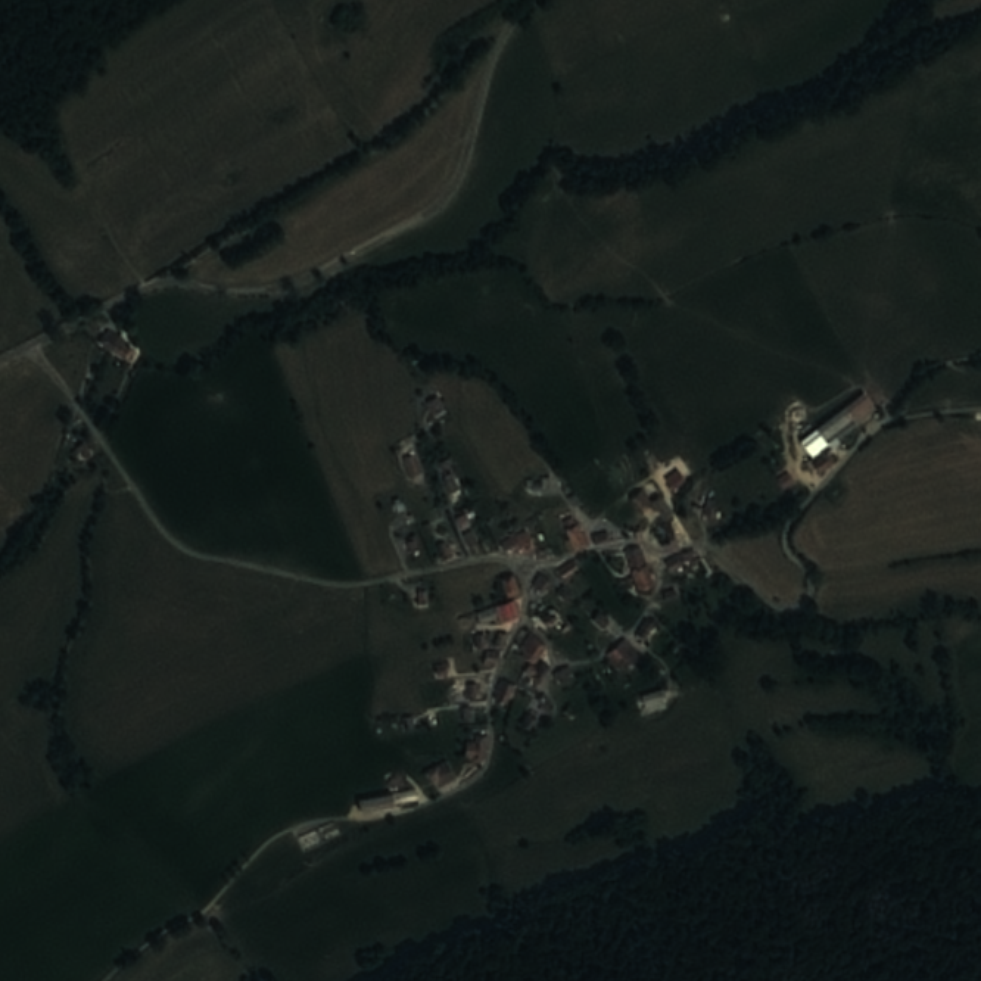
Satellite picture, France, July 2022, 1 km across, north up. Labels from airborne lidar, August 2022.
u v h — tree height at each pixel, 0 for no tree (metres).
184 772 0
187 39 0
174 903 0
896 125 0
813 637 18
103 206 0
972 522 0
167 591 0
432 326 0
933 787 24
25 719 0
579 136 0
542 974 25
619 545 0
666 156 28
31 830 0
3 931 0
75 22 27
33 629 0
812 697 0
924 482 0
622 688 0
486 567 0
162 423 0
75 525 0
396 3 0
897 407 13
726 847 24
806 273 0
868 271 0
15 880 0
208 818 0
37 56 18
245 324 16
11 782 0
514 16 17
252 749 0
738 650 0
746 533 17
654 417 19
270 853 0
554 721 7
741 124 26
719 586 17
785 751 0
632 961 31
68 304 18
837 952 25
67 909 0
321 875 0
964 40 7
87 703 0
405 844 0
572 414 0
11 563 12
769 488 0
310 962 0
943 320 0
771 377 0
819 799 0
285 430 0
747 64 0
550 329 0
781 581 0
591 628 0
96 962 0
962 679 0
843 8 0
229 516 0
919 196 0
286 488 0
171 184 0
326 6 0
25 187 0
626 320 0
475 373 8
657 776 0
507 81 0
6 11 18
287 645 0
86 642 0
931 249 0
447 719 0
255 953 0
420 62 0
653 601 0
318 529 0
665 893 26
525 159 0
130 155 0
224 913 0
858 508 0
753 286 0
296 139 0
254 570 0
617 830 16
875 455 0
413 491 0
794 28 0
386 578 0
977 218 0
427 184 0
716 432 0
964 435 0
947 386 0
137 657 0
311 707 0
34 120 15
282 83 0
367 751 0
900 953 32
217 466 0
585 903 25
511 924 20
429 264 17
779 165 0
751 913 25
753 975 28
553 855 0
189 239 0
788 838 26
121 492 0
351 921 0
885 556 0
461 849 0
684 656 15
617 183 15
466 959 22
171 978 0
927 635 0
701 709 0
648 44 0
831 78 21
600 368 0
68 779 19
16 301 0
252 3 0
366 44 0
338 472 0
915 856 32
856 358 0
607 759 0
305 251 0
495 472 0
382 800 0
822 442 0
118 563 0
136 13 17
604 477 0
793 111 34
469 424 0
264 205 12
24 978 0
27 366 0
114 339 0
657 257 0
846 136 0
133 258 0
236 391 0
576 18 0
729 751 0
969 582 0
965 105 0
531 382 0
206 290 0
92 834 0
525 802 0
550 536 0
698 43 0
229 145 0
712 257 0
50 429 0
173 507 0
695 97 0
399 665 0
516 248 0
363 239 0
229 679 0
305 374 0
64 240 0
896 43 21
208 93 0
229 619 0
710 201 0
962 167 0
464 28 7
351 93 0
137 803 0
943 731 20
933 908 28
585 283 0
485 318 0
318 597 0
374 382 0
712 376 0
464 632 0
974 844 28
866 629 18
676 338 0
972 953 29
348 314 7
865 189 0
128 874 0
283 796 0
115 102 0
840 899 24
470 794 0
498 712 7
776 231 0
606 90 0
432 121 0
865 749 0
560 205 0
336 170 10
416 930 0
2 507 0
